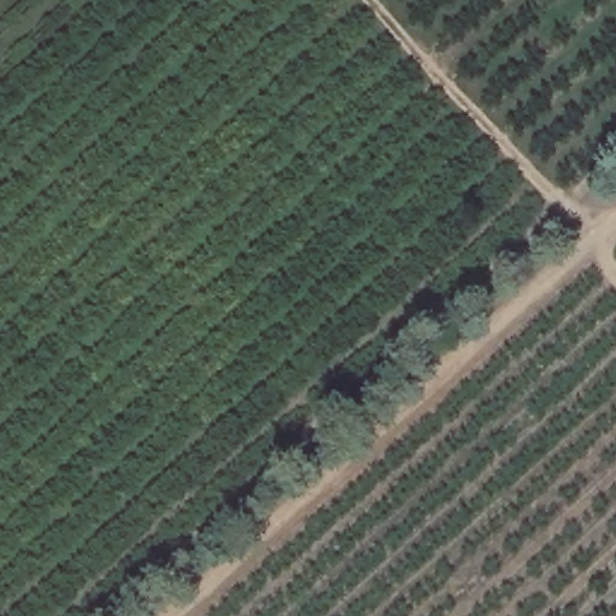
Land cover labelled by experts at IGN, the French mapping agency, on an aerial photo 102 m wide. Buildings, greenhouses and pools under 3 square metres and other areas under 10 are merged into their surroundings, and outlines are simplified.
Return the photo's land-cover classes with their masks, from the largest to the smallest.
<instances>
[{"label":"deciduous trees","instance_id":"1","mask_svg":"<svg viewBox=\"0 0 616 616\"><path fill-rule=\"evenodd\" d=\"M580 238V219L556 202H546L541 193L534 190L529 180L522 176L517 164L501 154L496 140L484 135L464 111H460L448 99L440 84H433L426 77L421 63L399 48L392 34L378 24L375 12L359 0H0V616H156L171 604H188L197 594L205 570L243 556L253 544L260 541V534L265 532L270 515L279 505V501L303 496V491L322 476V469H332L339 462H354L361 474L354 481H349L342 488V493L330 501V505H322L313 515H308L306 527L294 539H289L279 551H272L260 563V568H255L248 575V580L233 582L224 592L221 602L217 606H209L207 616H233L257 590H262V585L270 578H277L284 568H289L306 549H310V544L330 525H334L366 493H371L378 481H383L397 464L411 457V452L433 433H438L445 421L455 419L469 399H474L479 407L469 414L467 424H462L443 443H438V448L428 452L414 469L402 474L399 481L390 486L368 513H363L351 527L339 532L330 541V546L322 549L318 558L308 561V565L286 587H279L272 597L262 599V609L253 611L250 616H363L366 611L378 606V602L399 580H404L421 563H426L440 544L450 541L479 510H484V505L493 501V496L505 491L532 462H537L551 445H556L558 438H563L573 426H578L587 416V411L599 407L616 387V289L602 277V270L597 265L578 272L573 282L561 286L556 298L541 306L539 313L532 320H527V325L515 337H508L498 351L491 354L484 368L472 371V375L462 378L457 387H452L445 395V399L436 407V411H428L419 421H414L399 440L387 443L375 433V426H387L395 419L397 407L411 404L421 397L424 380H428L436 373V366L448 351L457 349L460 342L484 337L491 315L501 306L515 298L537 272H541L549 265H561L563 257L573 253ZM558 320H563L568 327L563 332H556V342L544 344L517 375L508 378L503 385L496 387L491 397L484 399V385H488L510 363V359L529 349L534 339L539 334H546ZM387 10L407 26V31L436 55L438 65H443L455 77L457 87L472 101H476L501 130L510 135L513 144L532 159L541 176H546L558 188H570L578 180H587L590 190H599L602 195L616 200V0H383ZM616 424V407H611V411L599 414L597 421L575 443H570L561 455L544 464L541 474L532 476L529 486L517 491L515 503L503 505V510L488 517L486 525L472 529L469 537L462 541V551L457 558L448 561V556H440L436 570L414 582L409 594L397 597L383 616H407L421 599L440 590L455 570L472 578L496 575L501 565L520 551V546L529 537L549 527V522L565 505H570L587 486L585 474H575V479L565 486L558 484L556 476L565 472L575 460L585 457L594 440ZM616 501V484L597 493L592 505L582 515L568 520L563 532L556 534L539 553H534L527 561L529 575L539 578L541 568L556 561L563 546L575 541L582 534V529L590 522H594L609 508V503ZM549 587L556 594L563 592L568 604L558 606L549 616H616V515L606 525L602 539H594L587 549H580L563 568L556 570V575H551ZM527 582L522 575H515L510 580H503L501 587L488 590L484 594V602L474 604L472 614L467 616H488L503 606L505 599L513 597L517 587ZM546 599L544 594L534 592L517 604L515 616H534Z\"/></svg>","mask_w":616,"mask_h":616},{"label":"pervious surface","instance_id":"2","mask_svg":"<svg viewBox=\"0 0 616 616\"><path fill-rule=\"evenodd\" d=\"M375 12L378 24L392 34L399 48L421 63L426 77L433 84H440L448 99L460 111H464L484 135L496 140L501 154L517 164L522 176L529 180L534 190L541 193L546 202H556L580 219V238L573 253L563 257L561 265H549L541 272H537L515 298L501 306L491 315L484 337L460 342L457 349L448 351L436 366V373L428 380H424L421 397L411 404L397 407L395 419L387 426H375V433L387 443L399 440L414 421H419L428 411H436V407L445 399V395L452 387H457L462 378L472 375V371L484 368L491 354L498 351L508 337H515L527 325V320H532L539 313L541 306L556 298L561 286L573 282L578 272L597 265L602 270V277L616 289V200L602 195L599 190H590L587 180H578L570 188H558L546 176H541L532 159L513 144L510 135L501 130L476 101H472L457 87L455 77L443 65H438L436 55L407 31V26L387 10L383 0H359ZM361 474L354 462H339L332 469H322V476L303 491V496L279 501V505L270 515L265 532L260 534V541L253 544L243 556L205 570L197 594L188 604H171L156 616H207L209 606H217L221 602L224 592L233 582L248 580V575L255 568H260V563L272 551H279L289 539H294L306 527L308 515H313L322 505H330V501L342 493V488L349 481H354Z\"/></svg>","mask_w":616,"mask_h":616},{"label":"herbaceous vegetation","instance_id":"3","mask_svg":"<svg viewBox=\"0 0 616 616\"><path fill-rule=\"evenodd\" d=\"M568 327L563 320H558L546 334H539L534 339L529 349L510 359V363L488 385H484V399L491 397L496 387L503 385L508 378L517 375L544 344L556 342V332H563ZM611 407H616V387L599 407L587 411V416L578 426H573L563 438H558L556 445H551L537 462H532L505 491L493 496V501L484 505V510H479L450 541L440 544L426 563H421L404 580H399L378 602V606L366 611L363 616H383L397 597L409 594L414 582L436 570L440 556H448V561L457 558L462 551V541L469 537L472 529L486 525L488 517L503 510V505L515 503L517 491L529 486L532 476L541 474L544 464L561 455L570 443H575L597 421L599 414L611 411ZM479 407L474 399H469L455 419L445 421L438 433H433L411 452V457L397 464L383 481H378L371 493H366L334 525H330L310 544V549H306L289 568H284L277 578H270L262 585V590H257L233 616H250L253 611L262 609V599L272 597L279 587H286L308 565V561L318 558L322 549L330 546V541L339 532L351 527L363 513H368L390 486L399 481L402 474L414 469L428 452L438 448V443H443L462 424H467L469 414ZM575 474H585L587 486L570 505H565L549 522V527L529 537L520 546V551L501 565L496 575L472 578L455 570L440 590L421 599L407 616H467L472 614L474 604L484 602V594L488 590L501 587L503 580H510L515 575H522L527 582L517 587L513 597L505 599L503 606L488 616H515L517 604L534 592L544 594L546 599L534 616H549L558 606L568 604L563 592L556 594L549 587L551 575H556V570L563 568L580 549H587L594 539H602L606 525L616 515V501L609 503V508L594 522H590L582 529V534L575 541L563 546L556 561L541 568L539 578L529 575L527 561L534 553H539L556 534L563 532L568 520L582 515L592 505L597 493L616 484V424L594 440L585 457L575 460L565 472L556 476L558 484L565 486L575 479Z\"/></svg>","mask_w":616,"mask_h":616}]
</instances>
